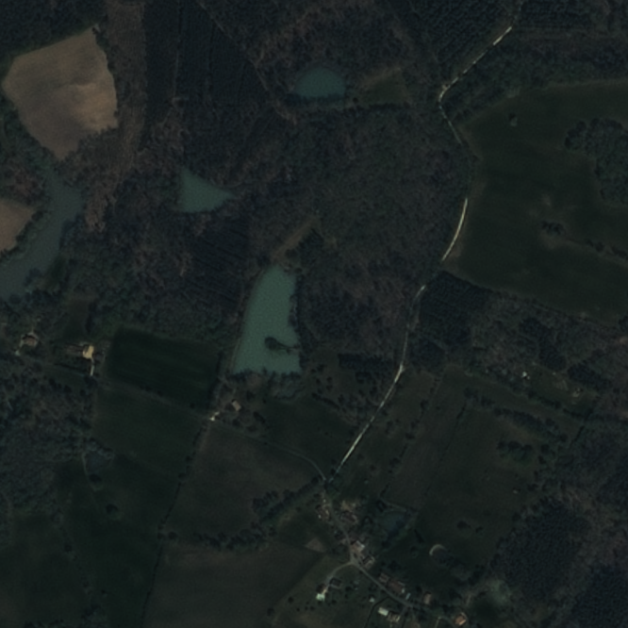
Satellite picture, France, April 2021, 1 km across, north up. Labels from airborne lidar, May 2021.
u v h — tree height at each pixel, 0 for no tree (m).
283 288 0
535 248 0
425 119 14
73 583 0
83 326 0
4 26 28
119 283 16
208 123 16
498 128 0
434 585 0
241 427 17
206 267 11
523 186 0
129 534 0
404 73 13
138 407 0
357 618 0
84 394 0
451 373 0
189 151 18
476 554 0
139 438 0
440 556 0
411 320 19
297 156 22
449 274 9
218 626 0
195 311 25
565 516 24
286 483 0
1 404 9
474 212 0
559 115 0
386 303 10
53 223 0
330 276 14
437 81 18
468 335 17
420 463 0
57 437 12
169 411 0
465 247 0
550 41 8
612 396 10
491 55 7
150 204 21
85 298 18
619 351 19
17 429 23
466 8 19
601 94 0
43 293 7
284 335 0
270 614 12
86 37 0
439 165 9
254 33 16
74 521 0
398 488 0
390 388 13
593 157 16
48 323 14
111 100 0
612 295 0
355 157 19
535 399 16
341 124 28
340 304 17
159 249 12
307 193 18
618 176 16
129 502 0
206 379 0
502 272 0
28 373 14
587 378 17
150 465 0
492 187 0
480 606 0
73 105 0
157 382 0
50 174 0
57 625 10
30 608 0
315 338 17
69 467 0
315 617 0
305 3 15
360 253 18
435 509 0
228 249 9
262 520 12
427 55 16
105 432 0
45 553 0
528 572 18
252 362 0
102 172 15
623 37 8
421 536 0
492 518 0
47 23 24
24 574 0
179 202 14
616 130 20
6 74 0
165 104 8
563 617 16
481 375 16
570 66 22
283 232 9
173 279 10
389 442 0
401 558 0
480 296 19
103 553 0
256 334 0
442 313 12
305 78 0
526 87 19
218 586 0
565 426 0
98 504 0
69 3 23
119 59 0
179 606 0
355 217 17
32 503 25
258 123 11
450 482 0
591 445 11
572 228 0
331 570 0
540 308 6
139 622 0
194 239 13
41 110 0
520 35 14
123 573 0
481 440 0
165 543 8
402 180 13
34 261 0
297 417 0
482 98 8
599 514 20
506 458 16
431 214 11
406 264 15
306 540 0
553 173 0
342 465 6
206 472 0
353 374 0
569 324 6
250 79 15
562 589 21
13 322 20
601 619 20
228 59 16
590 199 0
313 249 18
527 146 0
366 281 12
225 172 17
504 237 0
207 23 17
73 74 0
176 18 9
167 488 0
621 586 22
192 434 0
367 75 16
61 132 0
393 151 22
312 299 15
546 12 18
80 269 25
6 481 23
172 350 0
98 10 26
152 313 27
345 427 0
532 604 18
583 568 16
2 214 0
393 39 19
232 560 0
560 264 0
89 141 13
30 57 0
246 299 7
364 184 18
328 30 15
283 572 0
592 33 12
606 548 9
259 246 10
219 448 0
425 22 12
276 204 21
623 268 0
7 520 18
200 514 0
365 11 10
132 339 0
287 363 0
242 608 0
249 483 0
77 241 21
